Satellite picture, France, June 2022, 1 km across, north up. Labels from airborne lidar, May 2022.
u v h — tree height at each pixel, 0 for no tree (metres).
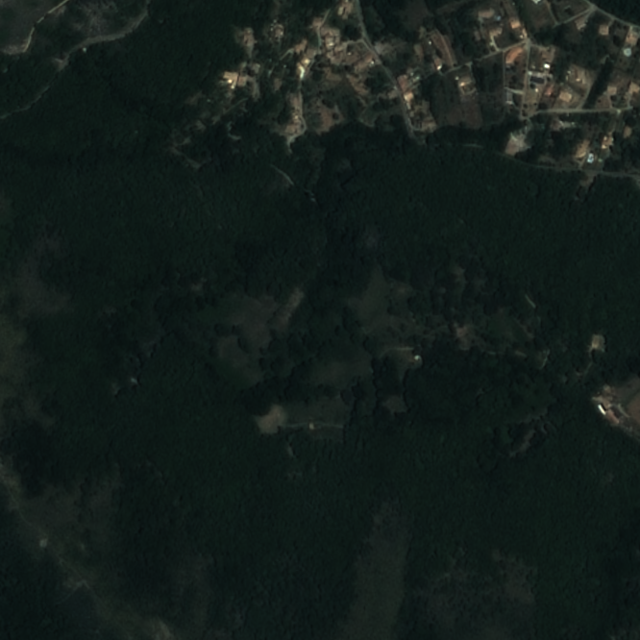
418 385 20
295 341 17
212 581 6
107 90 17
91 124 15
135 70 10
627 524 18
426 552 15
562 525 17
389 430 14
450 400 22
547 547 14
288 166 12
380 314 0
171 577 7
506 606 6
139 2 8
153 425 19
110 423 21
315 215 11
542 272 18
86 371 16
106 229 12
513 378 12
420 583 9
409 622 10
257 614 10
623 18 9
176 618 7
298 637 9
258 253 11
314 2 16
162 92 14
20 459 10
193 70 13
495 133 15
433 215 14
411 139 18
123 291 15
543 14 0
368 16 10
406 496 9
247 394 19
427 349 11
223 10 18
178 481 10
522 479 14
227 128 17
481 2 6
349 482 14
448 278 10
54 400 10
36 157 16
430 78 8
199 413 17
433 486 18
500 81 8
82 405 20
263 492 17
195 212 12
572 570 12
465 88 0
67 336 17
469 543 11
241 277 12
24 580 10
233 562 18
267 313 0
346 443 12
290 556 6
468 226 10
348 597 9
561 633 11
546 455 19
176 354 17
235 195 12
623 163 7
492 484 20
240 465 17
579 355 16
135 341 9
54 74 13
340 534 15
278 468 18
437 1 12
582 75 0
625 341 19
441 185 15
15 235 10
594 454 12
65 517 0
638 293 14
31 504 0
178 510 11
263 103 13
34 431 18
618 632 7
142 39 15
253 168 11
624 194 17
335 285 7
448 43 0
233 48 17
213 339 9
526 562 9
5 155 16
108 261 11
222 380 17
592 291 13
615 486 10
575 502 20
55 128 17
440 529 15
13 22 0
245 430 18
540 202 16
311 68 8
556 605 15
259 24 14
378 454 20
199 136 7
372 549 7
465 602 7
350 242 6
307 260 8
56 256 10
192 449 17
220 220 10
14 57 12
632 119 16
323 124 0
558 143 7
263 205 13
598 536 10
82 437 18
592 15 0
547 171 16
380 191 12
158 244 13
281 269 15
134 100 15
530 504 13
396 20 7
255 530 20
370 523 8
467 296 13
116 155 23
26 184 16
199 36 18
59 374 15
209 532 16
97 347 16
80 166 9
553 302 15
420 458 14
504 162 17
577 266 16
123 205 19
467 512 17
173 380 13
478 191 13
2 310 6
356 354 0
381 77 8
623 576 14
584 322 19
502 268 15
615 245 13
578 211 13
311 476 11
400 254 17
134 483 10
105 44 13
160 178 11
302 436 18
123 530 6
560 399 14
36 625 10
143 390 17
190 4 12
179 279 12
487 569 12
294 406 0
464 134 15
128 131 13
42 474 12
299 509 11
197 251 15
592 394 15
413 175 16
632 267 17
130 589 6
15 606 13
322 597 9
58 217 12
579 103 0
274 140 12
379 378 12
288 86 7
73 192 12
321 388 12
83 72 19
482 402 17
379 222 13
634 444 13
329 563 18
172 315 12
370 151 15
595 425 15
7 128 15
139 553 8
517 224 17
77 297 11
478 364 9
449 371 16
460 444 15
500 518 17
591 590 17
